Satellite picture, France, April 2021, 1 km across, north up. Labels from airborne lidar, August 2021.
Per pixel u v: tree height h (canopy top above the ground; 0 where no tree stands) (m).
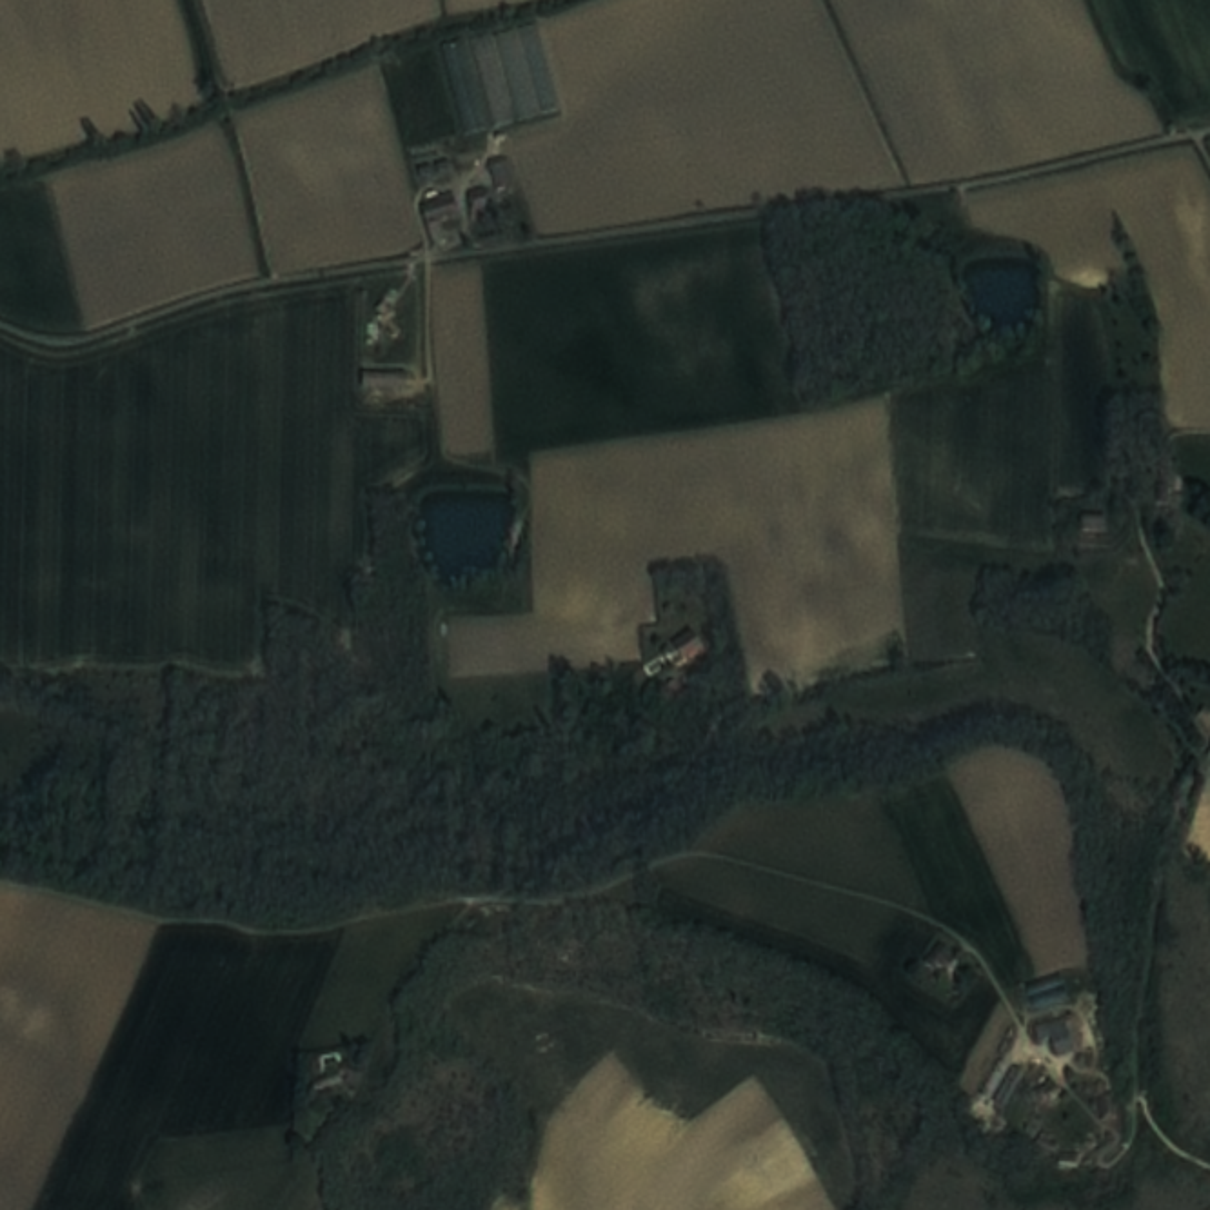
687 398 0
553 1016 0
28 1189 0
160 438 0
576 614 0
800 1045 15
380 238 0
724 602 22
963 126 0
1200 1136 0
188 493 0
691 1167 0
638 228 0
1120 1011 22
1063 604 23
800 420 0
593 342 0
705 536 0
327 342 0
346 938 0
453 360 0
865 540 0
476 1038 0
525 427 0
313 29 0
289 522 0
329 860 15
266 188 0
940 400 0
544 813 11
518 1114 22
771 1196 0
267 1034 0
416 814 7
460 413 0
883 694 0
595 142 0
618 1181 0
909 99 0
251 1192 0
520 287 0
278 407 0
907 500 0
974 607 6
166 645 0
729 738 13
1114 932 22
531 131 0
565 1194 0
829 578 0
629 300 0
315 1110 7
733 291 0
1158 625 6
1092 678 0
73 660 0
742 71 0
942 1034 0
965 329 13
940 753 16
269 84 0
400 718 8
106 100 0
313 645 17
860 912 0
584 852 12
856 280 23
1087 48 0
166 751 8
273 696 13
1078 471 0
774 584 0
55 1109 0
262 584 0
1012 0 0
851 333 26
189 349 0
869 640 0
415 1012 15
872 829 0
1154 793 8
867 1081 15
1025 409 0
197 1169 0
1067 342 0
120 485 0
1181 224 0
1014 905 0
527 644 0
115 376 0
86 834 21
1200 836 0
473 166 0
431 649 10
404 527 9
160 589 0
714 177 0
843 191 0
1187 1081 0
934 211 0
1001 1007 0
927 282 19
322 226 0
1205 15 0
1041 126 0
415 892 11
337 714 15
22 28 0
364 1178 17
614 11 0
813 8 0
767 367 0
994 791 0
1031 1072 0
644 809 12
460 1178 23
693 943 14
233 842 17
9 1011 0
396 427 0
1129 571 0
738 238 0
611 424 0
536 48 0
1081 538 0
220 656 0
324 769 14
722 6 0
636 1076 0
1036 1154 16
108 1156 0
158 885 22
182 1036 0
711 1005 9
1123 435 24
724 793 15
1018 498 0
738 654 20
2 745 0
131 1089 0
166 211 0
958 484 0
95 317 0
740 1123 0
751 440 0
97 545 0
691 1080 0
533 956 13
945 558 0
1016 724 17
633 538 0
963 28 0
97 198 0
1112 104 0
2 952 0
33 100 0
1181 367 0
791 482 0
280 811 15
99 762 7
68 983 0
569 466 0
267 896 23
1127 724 0
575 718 19
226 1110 0
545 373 0
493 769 7
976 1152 21
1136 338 0
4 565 0
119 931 0
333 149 0
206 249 0
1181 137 0
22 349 0
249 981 0
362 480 0
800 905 0
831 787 14
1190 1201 0
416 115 0
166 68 0
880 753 13
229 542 0
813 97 0
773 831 0
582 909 11
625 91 0
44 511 0
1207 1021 0
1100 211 0
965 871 0
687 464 0
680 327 0
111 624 0
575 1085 0
